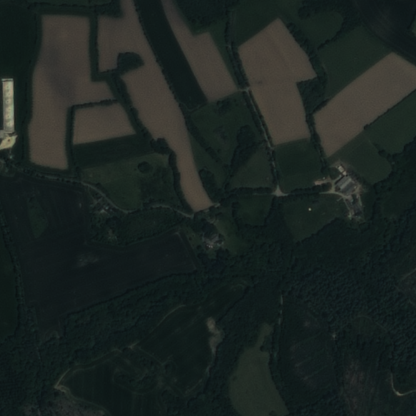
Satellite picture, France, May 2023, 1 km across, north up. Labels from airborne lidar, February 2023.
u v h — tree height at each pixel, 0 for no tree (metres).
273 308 12
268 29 0
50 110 0
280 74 0
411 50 0
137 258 0
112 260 0
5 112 0
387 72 0
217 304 0
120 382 0
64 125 0
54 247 0
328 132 0
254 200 0
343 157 0
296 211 0
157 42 0
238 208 15
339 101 0
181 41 0
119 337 23
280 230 17
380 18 0
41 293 0
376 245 9
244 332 11
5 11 0
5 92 0
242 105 0
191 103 0
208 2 10
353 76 0
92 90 0
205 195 0
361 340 8
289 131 0
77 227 0
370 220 7
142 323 17
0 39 0
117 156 0
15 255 9
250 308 13
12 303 0
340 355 16
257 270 9
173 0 0
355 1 0
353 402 0
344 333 13
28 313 15
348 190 0
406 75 0
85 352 23
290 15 0
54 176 6
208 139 0
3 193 0
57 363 12
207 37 0
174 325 0
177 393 0
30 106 0
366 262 13
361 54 0
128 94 11
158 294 17
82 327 14
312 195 12
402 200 0
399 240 12
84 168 0
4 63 0
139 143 0
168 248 0
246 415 0
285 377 9
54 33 0
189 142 0
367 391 0
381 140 0
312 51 15
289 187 0
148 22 0
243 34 0
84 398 0
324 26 0
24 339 12
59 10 0
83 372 0
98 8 13
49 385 16
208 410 15
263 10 0
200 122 0
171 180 0
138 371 0
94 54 0
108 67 0
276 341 15
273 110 0
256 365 0
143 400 0
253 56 0
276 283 11
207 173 8
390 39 0
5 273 0
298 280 15
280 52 0
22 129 0
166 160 0
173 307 15
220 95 0
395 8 0
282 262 15
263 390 0
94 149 0
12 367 16
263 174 0
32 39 0
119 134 0
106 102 10
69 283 0
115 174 0
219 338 0
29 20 0
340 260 18
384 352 9
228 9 16
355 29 8
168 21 0
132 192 0
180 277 14
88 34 0
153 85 0
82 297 0
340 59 0
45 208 0
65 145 0
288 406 13
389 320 24
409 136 0
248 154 14
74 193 0
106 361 0
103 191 10
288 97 0
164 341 0
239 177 0
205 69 0
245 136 11
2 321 0
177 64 0
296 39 12
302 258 16
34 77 0
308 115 7
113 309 16
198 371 0
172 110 0
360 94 0
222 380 18
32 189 0
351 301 22
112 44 0
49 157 0
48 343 12
